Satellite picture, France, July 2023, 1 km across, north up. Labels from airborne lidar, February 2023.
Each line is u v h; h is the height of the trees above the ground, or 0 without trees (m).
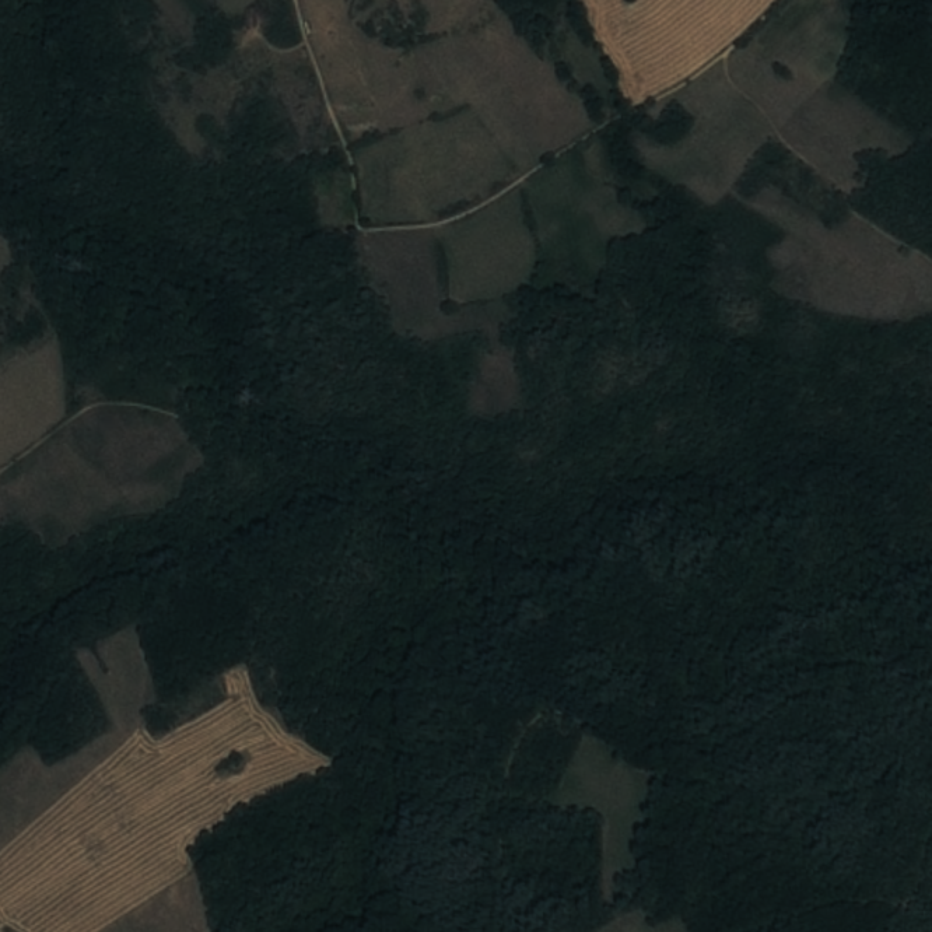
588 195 0
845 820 20
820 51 0
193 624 10
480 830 14
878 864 7
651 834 23
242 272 19
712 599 9
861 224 0
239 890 9
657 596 12
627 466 15
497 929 12
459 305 9
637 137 0
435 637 26
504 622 21
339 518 16
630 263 10
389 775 20
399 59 0
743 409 20
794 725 18
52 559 11
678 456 7
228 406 19
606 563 18
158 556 23
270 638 7
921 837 11
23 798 0
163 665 9
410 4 0
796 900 7
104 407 0
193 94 0
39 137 16
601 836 14
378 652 20
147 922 0
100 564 15
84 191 13
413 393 10
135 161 11
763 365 14
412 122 0
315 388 11
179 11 0
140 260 20
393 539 19
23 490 0
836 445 11
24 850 0
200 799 0
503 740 12
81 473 0
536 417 8
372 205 0
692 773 12
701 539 20
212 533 17
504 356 0
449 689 18
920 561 11
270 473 11
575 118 0
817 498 11
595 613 9
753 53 0
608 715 18
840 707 18
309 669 9
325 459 17
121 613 19
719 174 0
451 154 0
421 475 30
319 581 15
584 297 15
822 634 13
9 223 9
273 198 16
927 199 12
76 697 7
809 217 0
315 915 13
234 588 14
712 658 8
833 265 0
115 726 0
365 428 19
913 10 12
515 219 0
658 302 12
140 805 0
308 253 16
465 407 7
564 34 0
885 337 7
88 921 0
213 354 19
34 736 6
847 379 7
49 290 15
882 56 10
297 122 0
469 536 23
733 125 0
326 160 10
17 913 0
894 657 11
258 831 12
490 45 0
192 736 0
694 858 15
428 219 0
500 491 17
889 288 0
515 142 0
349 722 21
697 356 6
